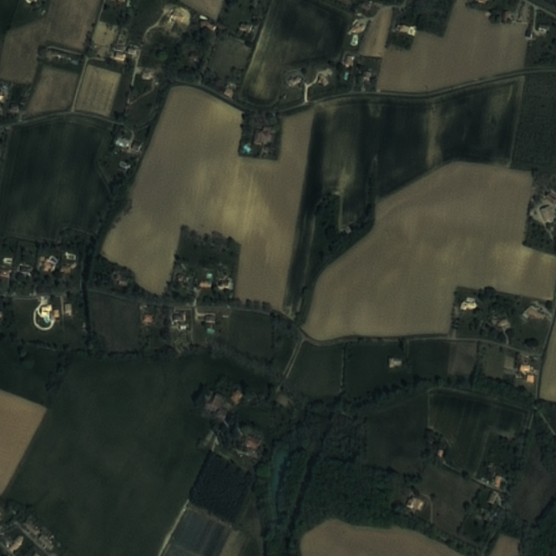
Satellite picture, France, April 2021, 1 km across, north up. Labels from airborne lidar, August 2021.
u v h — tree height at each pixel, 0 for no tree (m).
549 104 7
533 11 11
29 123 0
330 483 22
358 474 23
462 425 0
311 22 0
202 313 0
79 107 0
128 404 0
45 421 0
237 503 16
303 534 12
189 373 0
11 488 0
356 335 0
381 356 0
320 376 0
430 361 0
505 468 6
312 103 0
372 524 18
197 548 0
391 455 0
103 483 0
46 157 0
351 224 0
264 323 0
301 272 0
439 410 0
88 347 16
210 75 10
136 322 0
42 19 0
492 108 0
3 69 0
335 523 0
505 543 0
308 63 0
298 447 13
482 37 0
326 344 0
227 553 0
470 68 0
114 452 0
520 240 0
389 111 0
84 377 0
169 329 16
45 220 0
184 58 10
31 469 0
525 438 13
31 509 15
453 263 0
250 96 0
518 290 0
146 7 0
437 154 0
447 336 0
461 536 11
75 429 0
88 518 0
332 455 8
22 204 0
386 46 6
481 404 0
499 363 0
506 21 8
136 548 0
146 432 0
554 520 16
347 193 0
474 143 0
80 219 0
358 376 0
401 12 6
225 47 0
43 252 13
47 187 0
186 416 0
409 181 0
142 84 0
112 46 6
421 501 0
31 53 0
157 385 0
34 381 0
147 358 17
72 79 0
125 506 0
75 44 0
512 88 0
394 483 22
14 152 0
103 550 0
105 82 0
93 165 0
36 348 13
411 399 0
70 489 0
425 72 0
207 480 18
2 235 7
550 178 9
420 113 0
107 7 12
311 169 0
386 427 0
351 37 0
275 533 23
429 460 18
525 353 0
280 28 0
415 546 0
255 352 0
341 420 7
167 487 0
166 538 0
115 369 0
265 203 0
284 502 19
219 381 10
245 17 0
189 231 14
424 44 0
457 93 0
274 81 0
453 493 0
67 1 0
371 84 12
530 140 12
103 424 0
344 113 0
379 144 0
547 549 19
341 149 0
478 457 0
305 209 0
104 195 0
